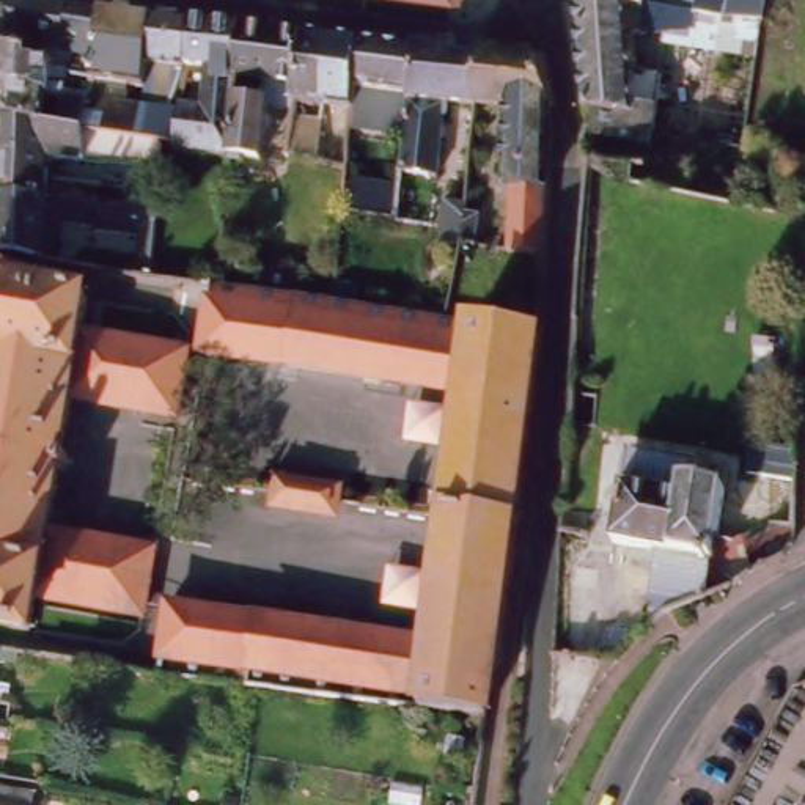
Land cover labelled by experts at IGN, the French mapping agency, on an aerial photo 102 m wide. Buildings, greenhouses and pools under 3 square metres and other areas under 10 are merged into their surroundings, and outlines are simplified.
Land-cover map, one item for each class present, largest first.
<instances>
[{"label":"impervious surface","instance_id":"1","mask_svg":"<svg viewBox=\"0 0 805 805\"><path fill-rule=\"evenodd\" d=\"M97 0H0V16L13 9H28L41 19L47 16L50 22H63L69 28L75 13L88 16ZM142 6L145 22L151 28L230 35L239 41H264L340 60L355 50H371L428 63H535L541 75V214L519 236L513 255L522 267H531L538 274L535 302L525 311L538 324L525 403V431L513 494V522L487 704L481 717H472V748H478V767L469 780L465 796L459 799L462 805H553L550 796L563 783L572 755L585 742L604 704L619 689V682L635 670V663L660 641H667L670 654L654 670L641 695L629 704L623 726L616 730L594 780L588 783L582 805H717L726 796L723 777L733 774V764L723 758L726 748L733 745L748 752L755 736L761 733L764 720L752 704L767 689L774 698L786 692V670L805 673V336L802 374L796 377L799 387L792 390V396L799 399L796 447V525L764 544L748 547L745 557L736 560L726 557V541L711 544V560L673 550L616 547L610 541V535L616 531L610 525V500L626 465L635 469L641 484L654 481L660 491L676 462L711 469L720 475V484L739 481L748 491L764 465V450L755 443V437L736 456H730L717 450L641 440L623 431H604L594 509L569 513V481H560V418L566 396V368L579 365V283L588 170L601 173L607 157H626L635 179H654L663 186L704 192L717 198L730 192V179L739 167V138L748 129L755 53L720 57L717 50L704 47H673L676 63H682L686 69L676 85V101H657L651 123L607 126L601 132H591L579 123L569 19L572 0H123ZM701 582H730L733 591L723 601L704 607L698 619H692V626L679 623L676 610H686L695 597H701ZM638 610L651 613V629L641 638L629 641L623 654L594 657V651L619 645V638L635 626L632 613ZM129 157L88 154L75 148H57L50 154L38 142L31 119L19 116L13 176L16 198L6 233L0 236V258L16 261L22 267H50L63 274H79L85 264H110L126 277H132V270H148L154 264V233L160 220L151 217L132 198ZM340 157L333 160L346 167L349 208L377 214L384 223L403 220V179L393 173H352L349 132L336 135ZM465 170L450 182V198L459 208L478 211V226L462 230V236L475 245L497 242L500 214L491 192L472 201ZM236 396L230 415L236 431L245 434V440L255 450L245 475L248 481L223 484L226 494L214 503V516L204 522L198 541L170 544V538L154 525V509L142 503L151 484L148 443L157 440V434H164V425L170 421L167 418L132 409H107L91 399H72L63 412V425L57 434L53 487L38 503V509L57 525L79 531L94 528L154 544L151 585L142 613L123 616L41 597L28 604V629L0 626V648L9 645L57 654H97L116 660L173 676H230L258 689H308L305 695L311 701L340 698L371 704V698H380L406 708H415V701L406 692H387L371 686H346L330 679L283 676L264 670L236 673L223 667H198L154 657L151 626L157 619V601L173 604L179 597L239 607H274L412 629V610L380 604V582L387 566L421 563V544L431 516L425 503L431 472L428 450L403 437V412L406 403H443V393L421 384L365 380L352 374L242 358L236 365ZM277 475L292 487L321 491L333 506L330 516L270 506L267 481ZM752 774L761 777V789L755 792L758 805H805V711L783 739L774 764H752Z\"/></svg>","mask_w":805,"mask_h":805},{"label":"building","instance_id":"2","mask_svg":"<svg viewBox=\"0 0 805 805\"><path fill-rule=\"evenodd\" d=\"M487 107L494 151L487 154L481 173L491 192L500 214L497 242L506 255H513L519 236L541 214V75L535 63H428L371 50H355L340 60L264 41H239L230 35L151 28L145 22L142 6L123 0H97L88 16L75 13L69 28L63 22H50L47 16L41 19L28 9H13L0 16V236L6 233L16 198L13 176L19 116L31 119L38 142L50 154L57 148H75L88 154L129 157H145L157 148L179 135L189 148L220 157L236 160H258V154L277 160V154L286 157L292 151L333 160L340 157L336 135L349 132H362L365 138H371L374 129L399 132V164L393 167V173L403 179L415 176L434 182L437 230H462L478 226V211L459 208L450 198V182L465 170L475 107ZM764 9V0H572L569 19L579 123L591 132H601L607 126L651 123L657 101H676V85L686 69L682 63H676L673 47H704L717 50L720 57L755 53L758 13ZM538 324L525 311L462 302L456 305V311H450L443 302H437V308L428 314L286 289H223L217 283L186 277L148 270H132V277H126L110 264H85L79 274H63L50 267H22L16 261L0 258V626L28 629V604L41 597L123 616L142 613L151 585L154 544L94 528L79 531L57 525L38 509V503L53 487L57 434L63 425V412L72 399H91L107 409H132L167 418L179 406V387L189 355L208 352L242 358L352 374L365 380L421 384L443 393V403H406L403 412V437L428 450L431 472L425 503L431 516L421 544V563L387 566L380 582V604L412 610V629L274 607H239L179 597L173 604L157 601V619L151 626L154 657L198 667H223L236 673L264 670L283 676L330 679L346 686H371L387 692H406L415 701L440 711H462L472 717H481L487 704L513 522V494L525 431V403ZM610 525L616 531L610 535V541L616 547L673 550L711 560V544L726 541V557L736 560L745 557L748 547L764 544L796 525V447L783 450V443H777L764 450V465L748 491L739 481L720 484V475L711 469L676 462L660 491L654 481L641 484L635 469L626 465L610 500ZM270 506L330 516L333 506L321 491L292 487L277 475L267 481ZM16 679V673L0 663V695L9 692L6 682ZM3 726H9V717L6 708H0V805H53L50 792L41 789L44 777L35 761L19 764L6 758L9 736ZM390 805H421L418 786L396 783L390 789Z\"/></svg>","mask_w":805,"mask_h":805},{"label":"herbaceous vegetation","instance_id":"3","mask_svg":"<svg viewBox=\"0 0 805 805\"><path fill-rule=\"evenodd\" d=\"M739 167H774L777 173H796V179L805 182V0H764V9L758 13L755 53L748 129L739 138ZM399 164V132L374 129L371 138H365L362 132H349L352 173H393V167ZM173 164L179 182V214L170 223L160 220L154 233V264L148 270L186 277L192 267L186 245L208 242L217 248L223 261L233 264V270L217 283L223 289H286L428 314L437 308V302H443L450 311H456V305L462 302L525 311L535 302L538 274L531 267H522L513 255H506L497 242L475 245L462 236V230H437L434 182L415 176L403 179V220L384 223L377 214L349 208L346 167L333 160L292 151L286 157L277 154V160L258 154V160H236L233 176L248 189V201L236 214H226L220 220L217 214H211L198 182L211 170H217L220 157L189 148L179 135L157 148ZM774 208L752 201L742 192H730L717 198L704 192L663 186L654 179H635L626 157H607L601 173L588 170L579 283V365L566 368V396L560 418V481H569V513L594 509L604 431H623L641 440L717 450L730 456H736L755 437V443L764 450L777 443L770 437V418L780 409V393L786 387L792 390L799 387L796 377L802 374L805 336V324L789 321L786 327H774L764 318H758L745 302V280L758 261L767 258L789 261L796 270L805 274V220H796L789 223V230H783L777 220H767ZM670 654L667 641H660L635 663V670L619 682V689L604 704L585 742L572 755L563 783L550 796L553 805H582L588 783L594 780L616 730L623 726L629 704L641 695L654 670ZM57 654L9 645L0 648V663L16 673V679L6 682L9 692L0 695V708H6L9 717V726H3L9 736L6 758L19 764L35 761L44 777L41 789L50 792L53 805H170V799L160 789H145L132 783V774L123 764V755L138 758L148 745L170 755L173 805H390V789L396 783L418 786L421 805H462L459 799L465 796L469 780L478 767V748H459L456 742L453 748H447L443 742H425L421 733H406V708L380 698H371V704L340 698L311 701L305 695L308 689H258L248 698L252 720L245 726V767L226 777L223 783L220 777L192 774L186 767L189 745L204 748L211 742L195 726L198 704L182 695L192 686L189 676H173L116 660L110 679L79 689L66 667L50 660ZM63 726H72L82 736H97L107 730L113 733L110 752L101 755V774H66L41 755Z\"/></svg>","mask_w":805,"mask_h":805},{"label":"deciduous trees","instance_id":"4","mask_svg":"<svg viewBox=\"0 0 805 805\"><path fill-rule=\"evenodd\" d=\"M494 151L487 107H475L465 170L472 201L491 192L481 173L487 154ZM730 192H742L752 201L774 208L767 220H777L783 230H789V223L796 220H805V182L796 179V173H777L774 167H739L730 179ZM745 302L758 318H764L774 327H786L789 321L805 324V274L796 270L789 261L767 258L758 261L745 280ZM242 358L208 352L189 355L179 387V406L167 418L170 421L164 425V434H157V440L148 443L151 484L142 503L154 509V525L170 538V544L198 541L204 522L214 516V503L226 494L223 484L248 481L245 475L255 450L245 440V434L236 431L230 415L236 396V365ZM50 660L66 667L79 689L110 679L116 660L97 654H57ZM406 733H421L425 742H443L447 748H453L456 742L459 748H472V717L462 711H440L415 701V708H406ZM123 764L132 774V783L145 789H160L170 799V805H173L170 755L148 745L138 758L123 755Z\"/></svg>","mask_w":805,"mask_h":805},{"label":"brushwood","instance_id":"5","mask_svg":"<svg viewBox=\"0 0 805 805\"><path fill-rule=\"evenodd\" d=\"M780 409L770 418V437L777 443H783V450L796 447L799 399L792 396V390L786 387L780 393ZM733 591L730 582H701V597H695L686 610H676L679 623L692 626V619H698L704 607L723 601ZM635 626L619 638V645L594 651V657L623 654L629 641L641 638L651 629V613L638 610L632 613ZM192 686L182 695L198 704L195 726L211 742L204 748L189 745L186 767L192 774L220 777L223 783L226 777L245 767V726L252 720L248 698L258 689L230 676H189Z\"/></svg>","mask_w":805,"mask_h":805},{"label":"coniferous trees","instance_id":"6","mask_svg":"<svg viewBox=\"0 0 805 805\"><path fill-rule=\"evenodd\" d=\"M132 198L151 217L160 220L170 223L179 214V182L173 164L157 148L145 157H129ZM236 160L220 157L217 170H211L198 182L211 214H217L220 220L226 214H236L248 201V189L233 176ZM192 267L186 277L217 283L233 270V264L223 261L217 248L208 242L186 245ZM113 733L107 730L97 736H82L72 726H63L41 755L66 774H101V755L110 752Z\"/></svg>","mask_w":805,"mask_h":805},{"label":"pervious surface","instance_id":"7","mask_svg":"<svg viewBox=\"0 0 805 805\"><path fill-rule=\"evenodd\" d=\"M764 720L761 733L755 736L748 752L733 745L726 748L723 758L733 764V774L723 777L726 796L717 805H758L755 792L761 789V777L752 774V764H774L783 739L805 711V673L786 670V692L774 698L767 689L752 704Z\"/></svg>","mask_w":805,"mask_h":805}]
</instances>
